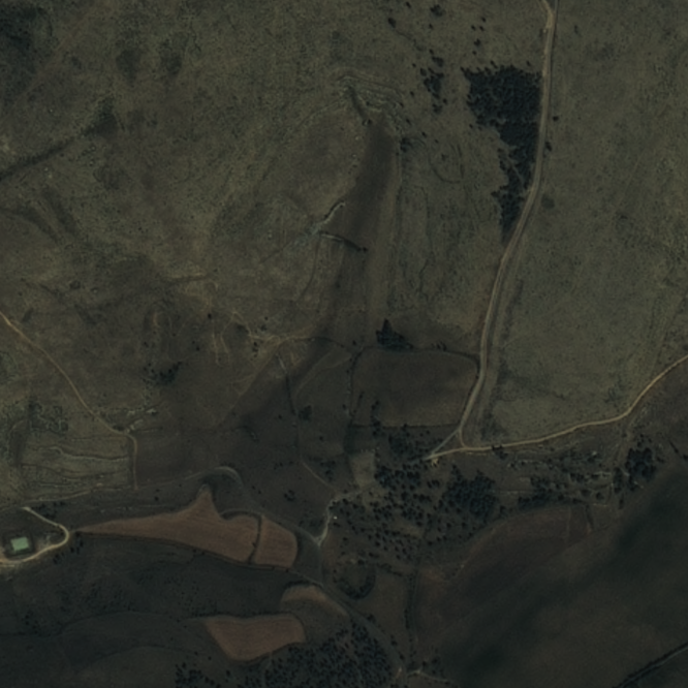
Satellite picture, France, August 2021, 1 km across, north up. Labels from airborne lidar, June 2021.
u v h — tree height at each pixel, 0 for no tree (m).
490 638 0
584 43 0
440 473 0
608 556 0
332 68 0
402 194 0
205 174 0
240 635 0
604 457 0
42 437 0
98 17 0
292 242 0
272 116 0
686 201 0
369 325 0
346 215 0
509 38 0
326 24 0
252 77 0
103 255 0
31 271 0
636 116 0
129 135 0
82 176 0
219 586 0
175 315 0
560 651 0
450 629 0
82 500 0
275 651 0
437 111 8
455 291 0
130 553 0
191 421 0
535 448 0
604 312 0
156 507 0
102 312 0
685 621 0
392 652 0
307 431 0
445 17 0
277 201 0
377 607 0
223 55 0
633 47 0
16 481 0
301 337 0
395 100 0
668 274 0
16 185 0
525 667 0
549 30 0
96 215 0
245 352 0
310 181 0
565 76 0
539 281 0
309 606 0
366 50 0
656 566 0
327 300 0
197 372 0
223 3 0
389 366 0
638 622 0
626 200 0
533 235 0
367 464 0
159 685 0
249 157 0
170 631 0
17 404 0
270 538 0
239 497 0
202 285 0
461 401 0
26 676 0
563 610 0
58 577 0
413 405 0
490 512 7
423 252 0
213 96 0
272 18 0
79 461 0
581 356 0
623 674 0
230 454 0
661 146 0
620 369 0
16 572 0
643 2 0
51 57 0
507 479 0
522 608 0
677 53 0
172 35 0
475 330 0
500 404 0
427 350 0
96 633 0
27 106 0
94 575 0
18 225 0
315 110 0
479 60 0
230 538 0
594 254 0
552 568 0
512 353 0
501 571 0
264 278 0
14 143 0
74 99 0
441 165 0
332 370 0
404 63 0
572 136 0
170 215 0
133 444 0
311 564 0
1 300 0
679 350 0
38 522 0
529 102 7
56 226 0
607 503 0
